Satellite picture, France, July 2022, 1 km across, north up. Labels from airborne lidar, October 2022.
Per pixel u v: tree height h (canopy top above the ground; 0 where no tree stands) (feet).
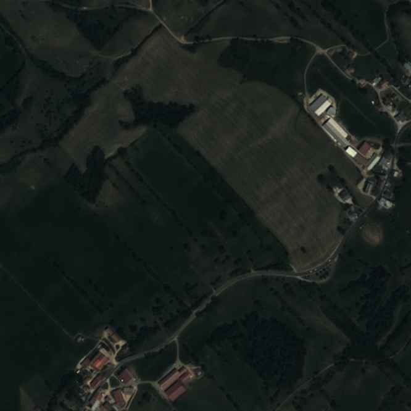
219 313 0
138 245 0
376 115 0
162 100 0
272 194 0
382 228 0
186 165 0
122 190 0
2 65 0
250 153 0
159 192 0
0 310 0
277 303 0
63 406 43
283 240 0
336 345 0
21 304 0
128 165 21
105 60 0
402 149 31
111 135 0
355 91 0
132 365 0
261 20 0
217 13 0
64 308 0
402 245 0
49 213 0
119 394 0
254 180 0
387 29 0
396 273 0
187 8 0
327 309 0
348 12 0
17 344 0
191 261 0
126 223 0
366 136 0
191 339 0
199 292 0
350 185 0
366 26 0
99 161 57
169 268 0
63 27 0
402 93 0
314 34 0
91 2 0
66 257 0
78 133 0
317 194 0
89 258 0
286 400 0
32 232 0
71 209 0
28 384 0
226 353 0
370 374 0
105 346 29
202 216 0
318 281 0
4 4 0
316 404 0
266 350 19
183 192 0
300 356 30
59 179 0
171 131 0
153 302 0
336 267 0
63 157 0
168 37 0
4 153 0
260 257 0
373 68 0
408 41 0
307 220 0
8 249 0
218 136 0
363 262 26
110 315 0
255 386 0
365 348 33
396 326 0
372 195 0
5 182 0
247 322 36
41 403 0
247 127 0
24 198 0
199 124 0
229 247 0
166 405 0
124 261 0
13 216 0
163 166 0
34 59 24
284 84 0
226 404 0
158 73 0
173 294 26
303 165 0
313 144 0
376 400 0
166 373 0
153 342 0
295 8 58
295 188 0
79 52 0
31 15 0
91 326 0
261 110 0
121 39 0
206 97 0
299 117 0
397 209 0
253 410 0
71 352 0
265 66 0
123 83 0
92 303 45
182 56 0
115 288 0
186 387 0
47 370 0
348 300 0
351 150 0
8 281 0
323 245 0
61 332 0
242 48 0
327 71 0
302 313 0
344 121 0
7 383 0
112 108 0
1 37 0
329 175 0
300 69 0
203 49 0
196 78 0
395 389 31
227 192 0
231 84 0
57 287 0
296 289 0
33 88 0
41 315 0
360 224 0
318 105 0
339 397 0
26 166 0
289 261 0
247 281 0
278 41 0
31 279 0
